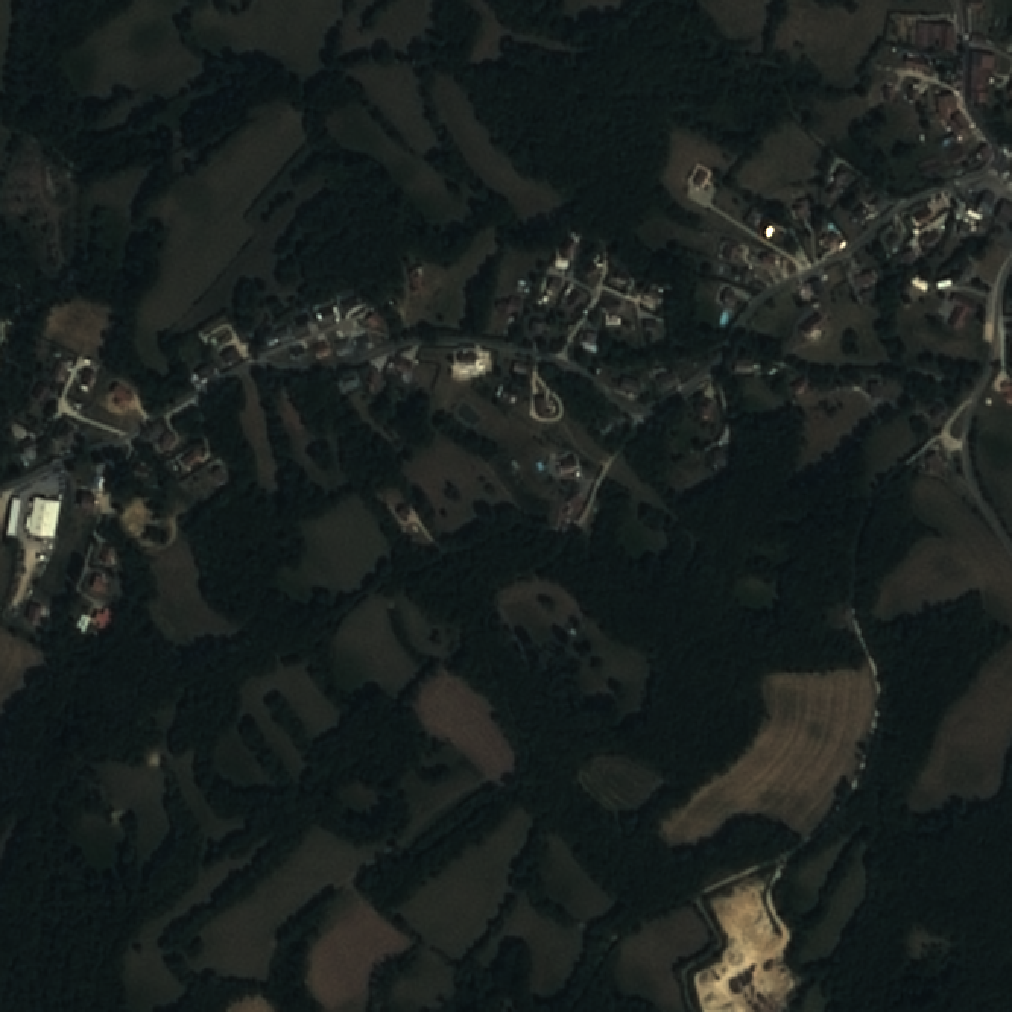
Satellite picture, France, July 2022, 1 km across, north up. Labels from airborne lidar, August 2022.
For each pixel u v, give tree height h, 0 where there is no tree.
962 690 13
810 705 0
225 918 0
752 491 17
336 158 16
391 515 12
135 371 15
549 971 0
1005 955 17
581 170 14
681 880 17
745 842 16
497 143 11
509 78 15
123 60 0
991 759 0
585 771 0
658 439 19
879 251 11
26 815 16
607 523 14
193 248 0
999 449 0
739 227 0
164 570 0
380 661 0
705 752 16
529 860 12
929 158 0
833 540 18
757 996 0
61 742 23
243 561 14
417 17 0
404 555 13
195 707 13
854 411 0
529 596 0
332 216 16
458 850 12
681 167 0
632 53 12
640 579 13
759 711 13
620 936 7
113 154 9
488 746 0
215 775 12
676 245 11
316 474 0
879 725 8
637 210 19
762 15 0
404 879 15
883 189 14
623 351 11
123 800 0
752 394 0
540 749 15
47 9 25
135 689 15
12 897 18
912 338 0
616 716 19
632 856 13
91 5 18
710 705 11
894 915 14
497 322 0
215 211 0
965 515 0
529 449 0
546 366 12
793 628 16
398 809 20
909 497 11
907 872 14
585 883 0
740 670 13
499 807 15
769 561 9
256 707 0
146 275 19
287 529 10
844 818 12
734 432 15
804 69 6
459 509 0
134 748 10
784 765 0
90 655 8
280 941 13
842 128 0
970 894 18
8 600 0
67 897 17
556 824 13
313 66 0
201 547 16
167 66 0
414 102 0
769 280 0
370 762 19
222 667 13
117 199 0
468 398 0
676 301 17
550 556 14
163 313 0
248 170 0
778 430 16
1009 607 0
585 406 14
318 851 0
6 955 16
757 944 0
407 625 0
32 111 19
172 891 9
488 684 12
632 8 19
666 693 15
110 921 18
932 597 0
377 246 19
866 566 15
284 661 11
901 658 16
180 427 12
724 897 0
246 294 10
